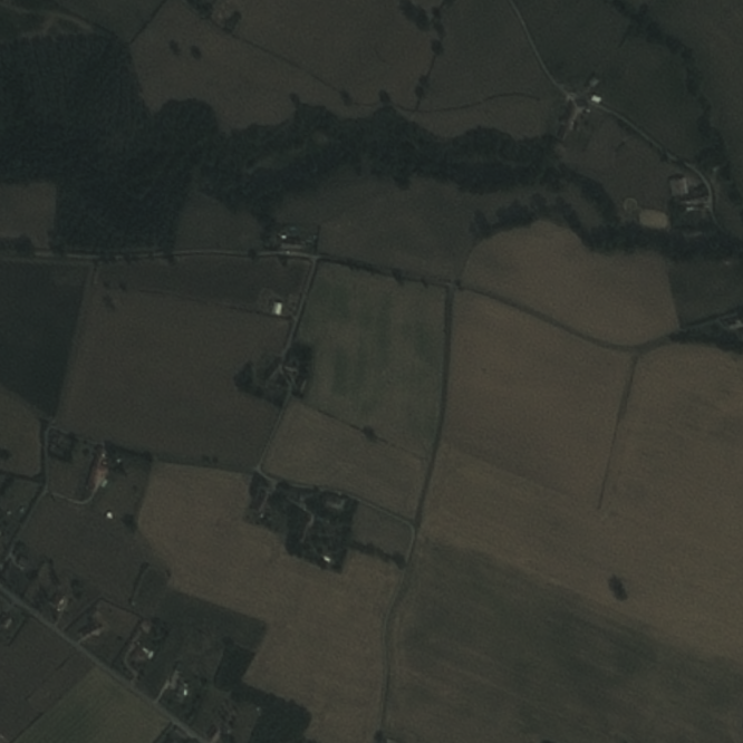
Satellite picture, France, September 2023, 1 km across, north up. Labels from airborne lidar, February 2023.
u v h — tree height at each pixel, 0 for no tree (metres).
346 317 0
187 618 0
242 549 0
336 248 0
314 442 0
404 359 0
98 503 0
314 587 0
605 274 0
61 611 0
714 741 0
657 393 0
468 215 0
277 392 0
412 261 0
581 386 0
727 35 0
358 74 0
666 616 0
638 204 0
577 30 0
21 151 15
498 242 0
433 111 0
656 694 0
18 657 0
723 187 0
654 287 0
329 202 0
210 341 0
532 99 0
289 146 12
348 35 0
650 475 0
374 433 10
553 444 0
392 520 0
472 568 0
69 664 0
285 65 0
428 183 0
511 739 0
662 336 0
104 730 0
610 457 0
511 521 0
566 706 0
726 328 0
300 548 6
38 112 6
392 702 0
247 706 0
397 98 0
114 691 0
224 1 0
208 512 0
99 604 0
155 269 0
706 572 0
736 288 0
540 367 0
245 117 0
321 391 0
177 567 0
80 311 0
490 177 23
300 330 0
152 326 0
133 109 8
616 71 0
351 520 9
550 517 0
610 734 0
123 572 0
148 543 0
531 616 0
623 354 0
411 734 0
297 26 0
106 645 0
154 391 0
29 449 0
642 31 11
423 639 0
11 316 0
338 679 0
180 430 0
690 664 0
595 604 0
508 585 0
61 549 0
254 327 0
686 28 0
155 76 0
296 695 0
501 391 0
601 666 0
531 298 0
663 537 0
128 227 15
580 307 0
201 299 0
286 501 6
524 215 19
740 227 0
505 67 0
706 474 0
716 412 0
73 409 0
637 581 0
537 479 0
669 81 0
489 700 0
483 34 0
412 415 0
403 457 0
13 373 0
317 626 0
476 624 0
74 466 0
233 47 0
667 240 18
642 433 0
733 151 0
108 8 0
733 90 0
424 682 0
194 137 27
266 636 0
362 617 0
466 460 0
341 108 0
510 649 0
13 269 0
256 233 0
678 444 0
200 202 0
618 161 0
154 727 0
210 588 0
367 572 0
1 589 0
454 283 0
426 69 0
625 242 20
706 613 0
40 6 0
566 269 0
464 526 0
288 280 0
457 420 0
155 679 0
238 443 0
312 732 0
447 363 0
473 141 14
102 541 0
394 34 0
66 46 10
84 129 11
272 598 0
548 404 0
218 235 0
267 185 24
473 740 0
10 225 0
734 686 0
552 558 0
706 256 17
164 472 0
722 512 0
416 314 0
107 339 0
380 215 0
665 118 0
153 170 12
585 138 0
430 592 0
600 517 0
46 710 0
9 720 0
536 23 0
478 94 0
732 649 0
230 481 0
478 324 0
